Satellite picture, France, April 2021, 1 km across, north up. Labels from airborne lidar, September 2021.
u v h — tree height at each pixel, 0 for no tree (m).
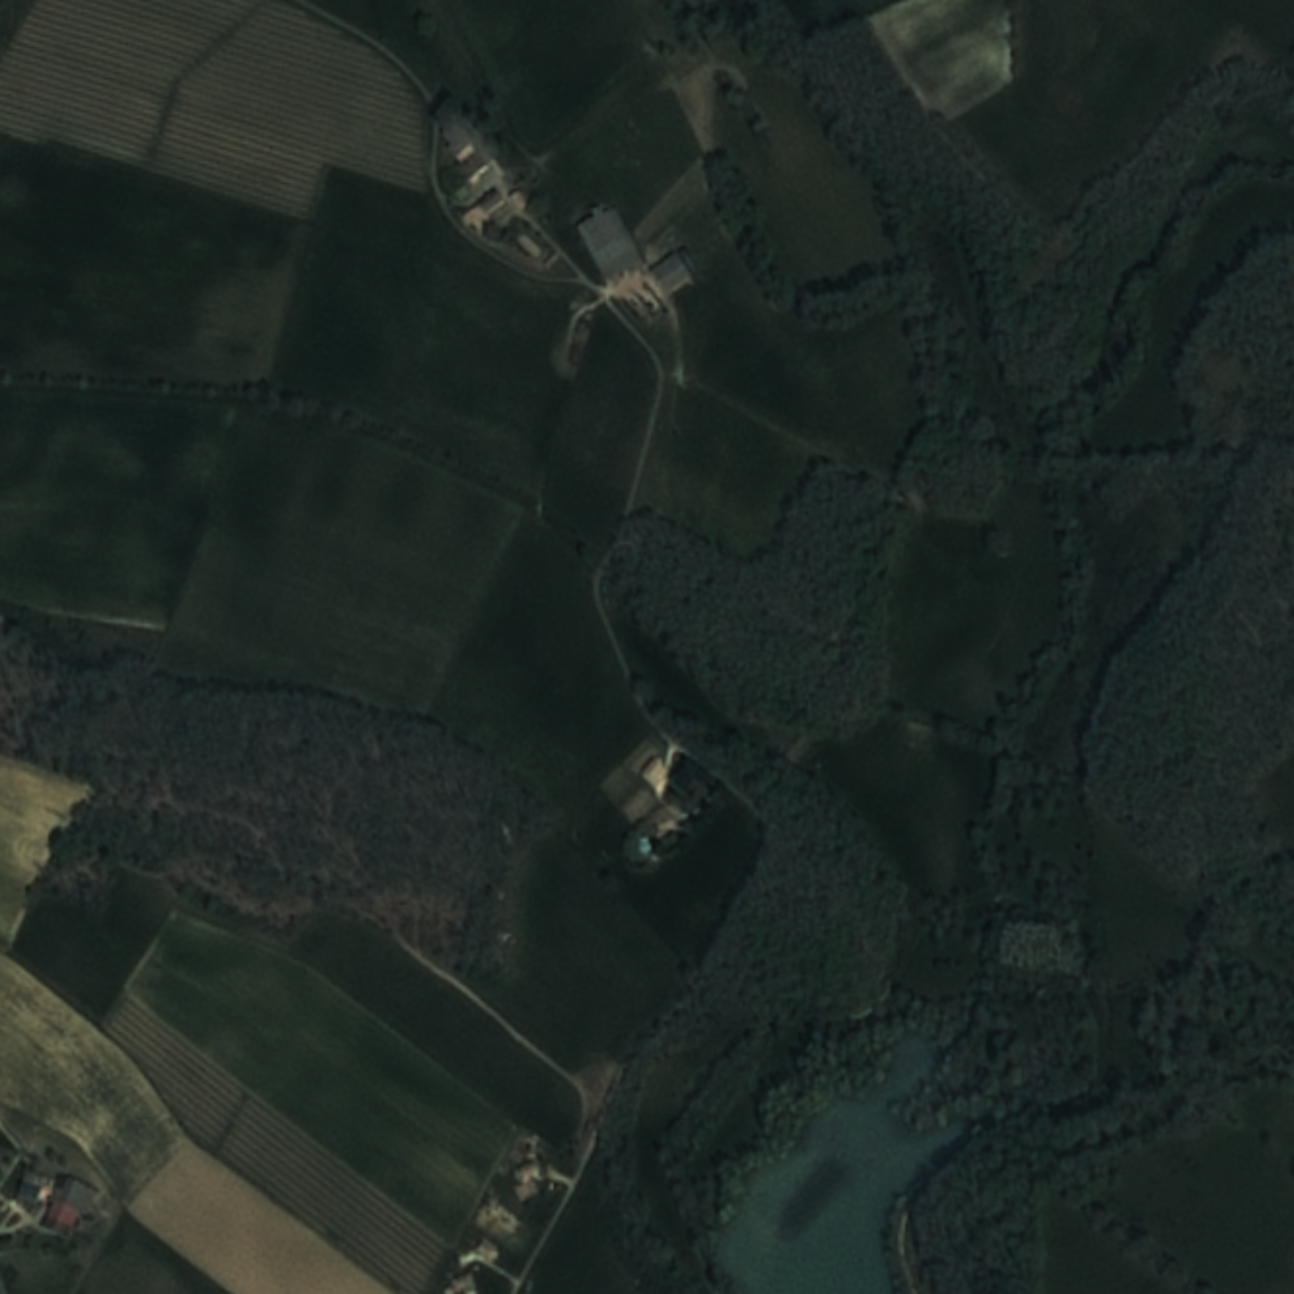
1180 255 20
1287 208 0
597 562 7
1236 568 17
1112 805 20
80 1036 0
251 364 0
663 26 0
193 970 0
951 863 0
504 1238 0
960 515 19
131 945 0
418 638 0
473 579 0
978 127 0
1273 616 18
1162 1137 14
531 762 0
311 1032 0
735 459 0
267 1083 0
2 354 0
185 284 0
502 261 0
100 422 0
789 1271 0
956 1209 20
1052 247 10
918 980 0
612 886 15
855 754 0
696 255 0
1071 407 11
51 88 0
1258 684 20
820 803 18
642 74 0
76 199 0
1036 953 24
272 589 0
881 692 24
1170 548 0
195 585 0
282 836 14
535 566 0
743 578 21
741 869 0
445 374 0
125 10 0
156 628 0
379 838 18
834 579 17
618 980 0
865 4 0
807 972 17
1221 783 20
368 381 0
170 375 0
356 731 16
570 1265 0
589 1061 0
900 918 24
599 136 0
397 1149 0
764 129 19
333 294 0
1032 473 14
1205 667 18
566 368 0
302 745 18
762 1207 0
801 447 0
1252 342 16
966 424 18
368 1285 0
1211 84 16
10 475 0
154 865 7
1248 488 18
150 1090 0
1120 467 15
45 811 0
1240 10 0
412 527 0
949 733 19
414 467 0
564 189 0
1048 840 0
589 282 0
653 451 0
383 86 0
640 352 0
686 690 0
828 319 14
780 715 19
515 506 0
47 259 0
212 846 14
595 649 0
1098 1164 17
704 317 0
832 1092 17
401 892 11
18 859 0
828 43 17
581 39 0
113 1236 0
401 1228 0
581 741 0
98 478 0
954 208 19
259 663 0
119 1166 0
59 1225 0
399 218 0
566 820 0
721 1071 15
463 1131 0
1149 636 18
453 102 15
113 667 13
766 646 19
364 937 0
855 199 0
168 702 18
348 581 0
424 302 0
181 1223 0
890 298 13
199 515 0
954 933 15
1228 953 24
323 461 0
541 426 0
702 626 20
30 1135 0
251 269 0
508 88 0
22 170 0
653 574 17
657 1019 0
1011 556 8
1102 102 0
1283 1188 0
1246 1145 0
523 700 0
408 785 13
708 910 0
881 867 23
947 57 0
